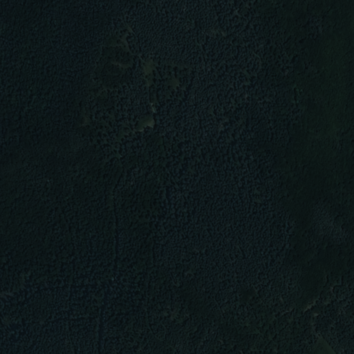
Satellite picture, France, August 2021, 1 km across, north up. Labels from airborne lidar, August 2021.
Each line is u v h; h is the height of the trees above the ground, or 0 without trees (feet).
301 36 96
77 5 61
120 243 80
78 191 64
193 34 79
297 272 71
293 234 34
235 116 31
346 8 89
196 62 80
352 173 100
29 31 45
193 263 73
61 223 66
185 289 43
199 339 61
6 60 57
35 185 46
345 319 68
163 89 61
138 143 72
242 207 73
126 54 31
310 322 42
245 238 69
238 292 70
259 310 25
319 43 104
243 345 45
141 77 71
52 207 55
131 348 30
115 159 73
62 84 56
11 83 60
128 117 30
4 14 67
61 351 60
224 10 80
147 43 83
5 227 54
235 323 44
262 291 56
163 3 88
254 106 51
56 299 54
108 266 61
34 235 73
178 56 79
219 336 56
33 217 75
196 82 69
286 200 72
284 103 37
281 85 65
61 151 60
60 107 71
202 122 80
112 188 63
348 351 80
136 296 66
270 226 20
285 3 65
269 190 53
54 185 55
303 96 78
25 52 53
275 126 47
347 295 62
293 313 48
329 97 93
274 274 48
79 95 58
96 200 61
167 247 68
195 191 55
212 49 64
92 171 51
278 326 19
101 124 17
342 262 73
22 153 47
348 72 64
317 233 56
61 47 71
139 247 56
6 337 61
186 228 69
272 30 57
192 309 60
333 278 71
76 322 76
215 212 74
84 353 64
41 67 33
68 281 78
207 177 71
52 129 54
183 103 71
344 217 75
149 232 20
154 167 62
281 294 48
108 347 69
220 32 55
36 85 55
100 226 82
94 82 40
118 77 36
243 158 77
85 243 60
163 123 75
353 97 88
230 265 66
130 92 69
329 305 46
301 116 50
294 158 74
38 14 58
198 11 81
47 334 63
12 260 84
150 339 55
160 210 34
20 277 90
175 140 46
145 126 0
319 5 96
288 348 27
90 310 35
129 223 44
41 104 55
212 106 66
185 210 75
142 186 64
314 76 86
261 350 21
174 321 37
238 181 65
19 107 50
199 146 27
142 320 63
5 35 42
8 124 77
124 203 56
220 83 87
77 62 60
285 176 77
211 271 84
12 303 59
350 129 94
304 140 79
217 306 65
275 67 46
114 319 46
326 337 73
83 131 52
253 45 67
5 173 40
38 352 74
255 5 41
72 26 73
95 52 58
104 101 27
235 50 57
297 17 69
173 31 81
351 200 67
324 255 59
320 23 104
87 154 54
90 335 68
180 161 93
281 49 53
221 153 44
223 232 55
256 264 69
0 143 80
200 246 73
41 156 53
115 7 73
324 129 69
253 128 65
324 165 75
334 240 74
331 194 73
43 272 68
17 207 58
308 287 63
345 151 102
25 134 58
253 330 26
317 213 77
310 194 93
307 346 61
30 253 69
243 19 64
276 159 72
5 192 52
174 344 52
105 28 64
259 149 66
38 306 56
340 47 63
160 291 39
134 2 74
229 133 75
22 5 54
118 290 92
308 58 86
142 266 56
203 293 47
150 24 72
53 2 69
